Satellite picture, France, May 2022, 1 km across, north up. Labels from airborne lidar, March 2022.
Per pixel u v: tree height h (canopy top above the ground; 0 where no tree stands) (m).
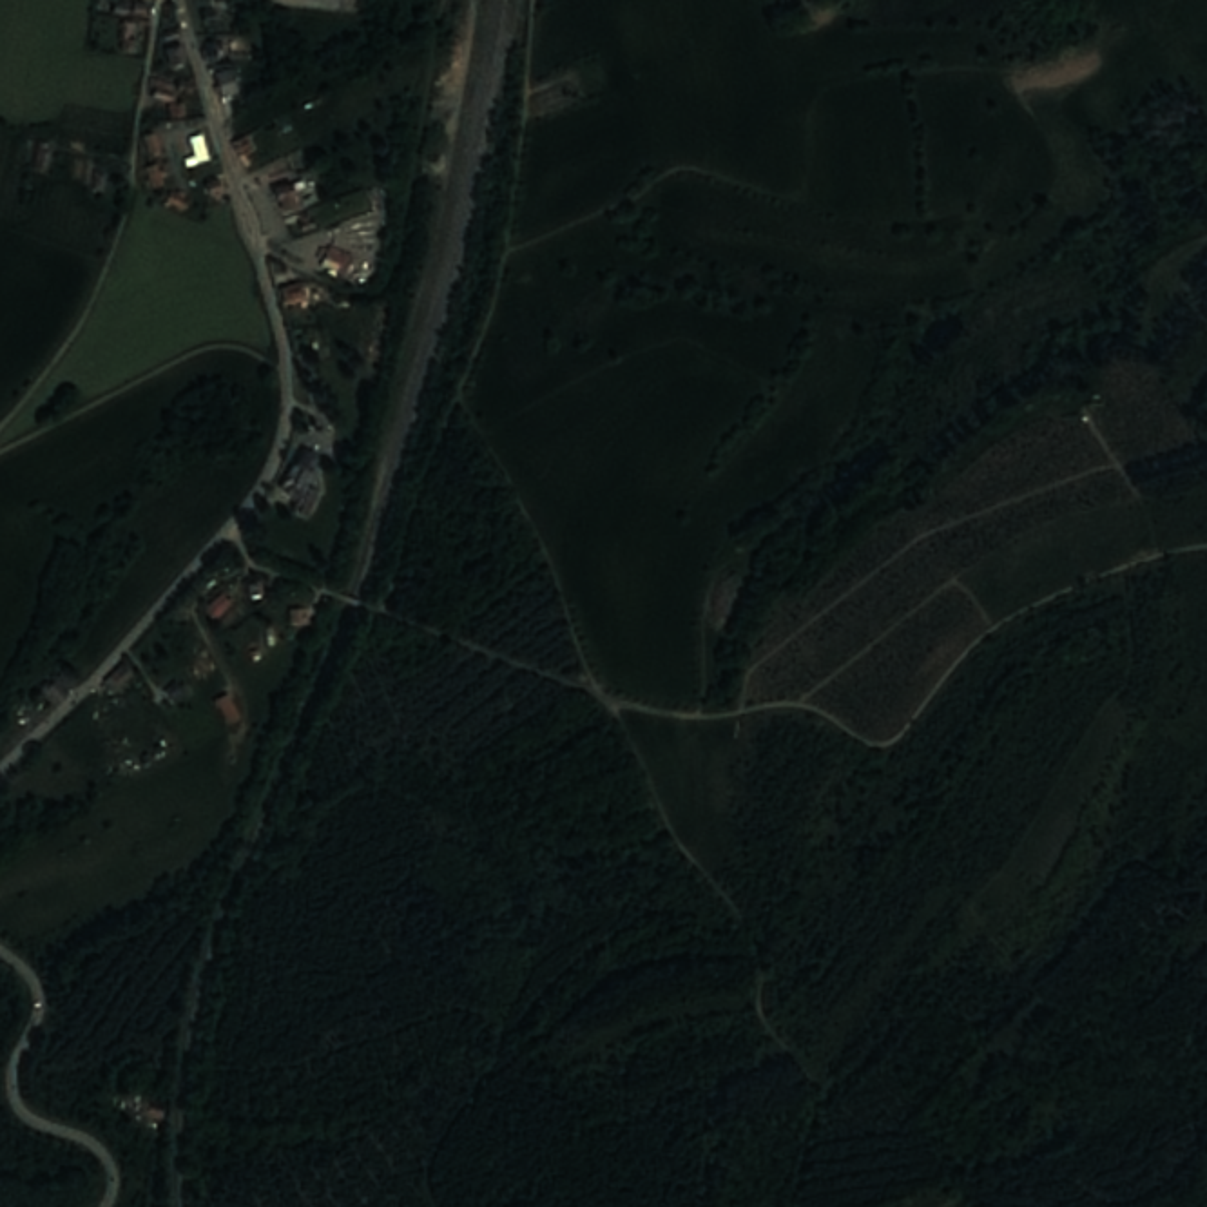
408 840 8
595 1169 11
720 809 0
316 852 6
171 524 0
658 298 9
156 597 0
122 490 0
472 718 11
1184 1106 15
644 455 0
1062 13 10
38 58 0
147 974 12
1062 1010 18
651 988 20
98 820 0
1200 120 22
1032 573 0
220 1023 9
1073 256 7
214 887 11
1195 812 7
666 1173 9
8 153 0
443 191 0
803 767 6
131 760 0
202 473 0
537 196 0
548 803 10
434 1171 9
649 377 0
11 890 0
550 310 0
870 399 7
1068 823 0
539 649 11
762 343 0
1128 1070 21
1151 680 6
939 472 6
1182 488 21
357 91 0
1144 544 0
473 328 10
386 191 8
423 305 0
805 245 0
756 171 0
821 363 0
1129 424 0
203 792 0
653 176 7
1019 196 0
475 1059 20
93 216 0
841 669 0
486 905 11
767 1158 11
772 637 0
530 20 0
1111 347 25
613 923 10
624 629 0
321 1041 10
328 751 9
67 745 0
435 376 10
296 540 0
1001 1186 19
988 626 0
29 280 0
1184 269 0
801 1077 8
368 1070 9
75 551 14
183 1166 17
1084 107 0
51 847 0
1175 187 21
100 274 0
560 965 9
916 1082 13
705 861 0
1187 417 15
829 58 0
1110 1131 15
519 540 10
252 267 0
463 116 0
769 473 0
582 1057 0
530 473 0
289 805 11
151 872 0
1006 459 0
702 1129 6
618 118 0
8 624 0
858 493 26
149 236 0
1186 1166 18
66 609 17
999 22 6
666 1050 14
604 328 0
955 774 8
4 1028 10
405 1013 11
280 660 0
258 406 0
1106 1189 14
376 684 10
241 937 8
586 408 0
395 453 0
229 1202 13
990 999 10
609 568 0
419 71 0
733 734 0
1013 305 0
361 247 0
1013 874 0
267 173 0
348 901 11
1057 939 8
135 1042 10
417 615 14
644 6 0
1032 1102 8
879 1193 16
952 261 0
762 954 18
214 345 0
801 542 10
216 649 0
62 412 16
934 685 0
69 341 0
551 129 0
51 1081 8
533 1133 9
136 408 0
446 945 20
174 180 0
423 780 10
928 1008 10
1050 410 0
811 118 0
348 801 10
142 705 0
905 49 0
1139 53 0
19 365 0
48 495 0
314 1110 10
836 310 0
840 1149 15
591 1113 12
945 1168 11
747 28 0
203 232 0
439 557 10
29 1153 7
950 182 0
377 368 11
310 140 0
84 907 0
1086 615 7
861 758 8
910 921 6
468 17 0
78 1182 26
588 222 0
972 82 0
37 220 0
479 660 10
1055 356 8
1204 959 12
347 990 8
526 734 11
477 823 17
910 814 8
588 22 0
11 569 0
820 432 0
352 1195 9
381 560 8
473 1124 12
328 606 13
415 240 12
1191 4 0
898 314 0
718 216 0
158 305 0
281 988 9
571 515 0
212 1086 7
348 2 0
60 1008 12
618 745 11
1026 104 0
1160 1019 17
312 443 0
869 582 0
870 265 0
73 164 0
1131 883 18
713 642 0
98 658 0
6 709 8
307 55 5
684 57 0
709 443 0
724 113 0
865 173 0
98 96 0
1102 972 19
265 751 16
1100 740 0
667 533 0
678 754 0
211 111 0
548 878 18
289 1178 10
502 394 0
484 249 7
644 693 0
